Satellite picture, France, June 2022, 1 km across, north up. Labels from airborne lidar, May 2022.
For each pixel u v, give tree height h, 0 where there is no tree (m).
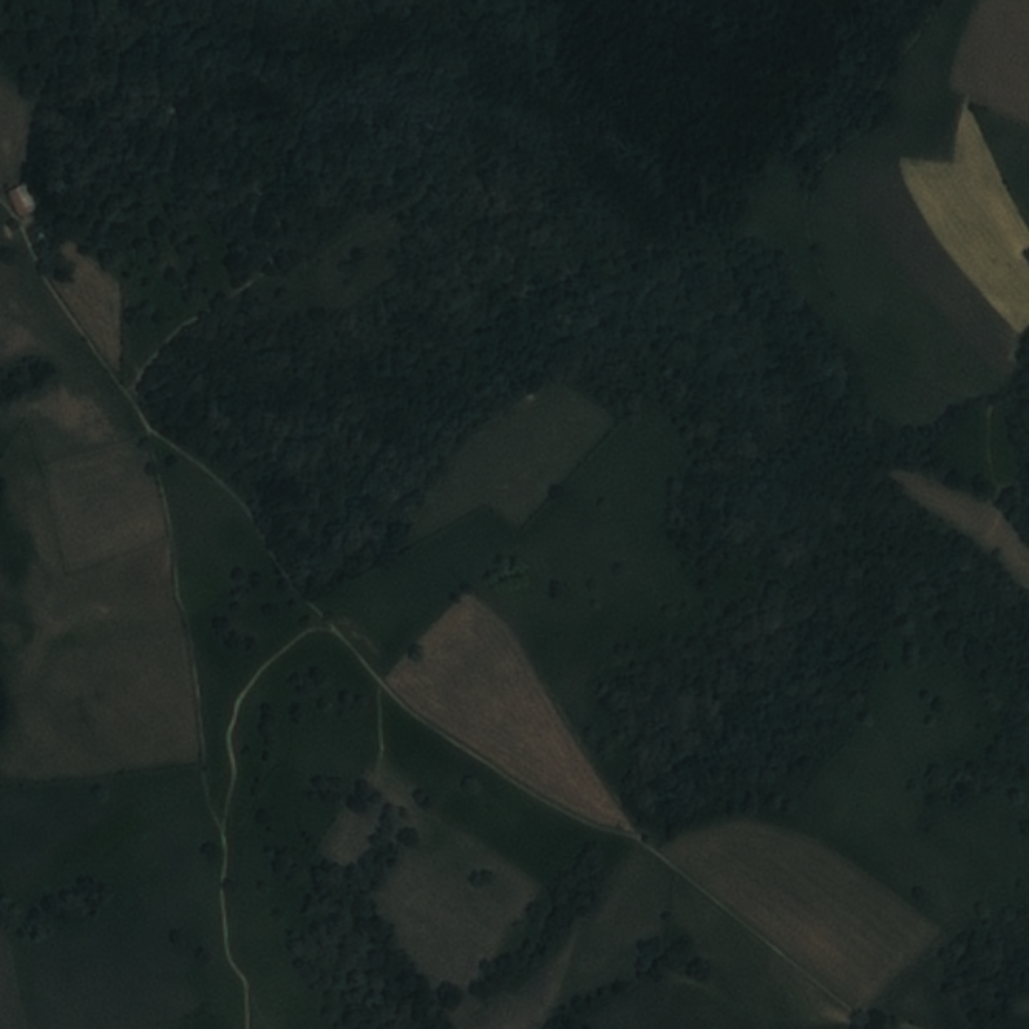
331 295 0
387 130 13
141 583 0
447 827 0
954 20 0
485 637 0
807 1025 0
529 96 24
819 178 8
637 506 0
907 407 0
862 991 0
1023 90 0
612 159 23
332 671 0
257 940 0
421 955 0
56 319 0
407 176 21
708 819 0
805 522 20
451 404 18
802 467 20
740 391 19
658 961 11
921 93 0
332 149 21
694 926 0
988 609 7
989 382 0
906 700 0
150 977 0
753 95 10
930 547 11
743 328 21
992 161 0
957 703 0
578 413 0
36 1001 0
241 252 14
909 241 0
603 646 0
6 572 0
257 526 10
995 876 0
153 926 0
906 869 0
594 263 23
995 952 18
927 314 0
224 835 0
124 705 0
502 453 0
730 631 12
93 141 17
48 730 0
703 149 13
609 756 9
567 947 0
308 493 14
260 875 0
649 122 8
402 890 0
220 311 18
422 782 0
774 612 19
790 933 0
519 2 9
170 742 0
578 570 0
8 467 0
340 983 13
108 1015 0
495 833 0
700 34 7
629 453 0
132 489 0
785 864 0
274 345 10
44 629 0
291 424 15
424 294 17
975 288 0
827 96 15
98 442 0
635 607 0
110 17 16
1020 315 0
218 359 18
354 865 10
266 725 13
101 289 0
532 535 0
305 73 25
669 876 0
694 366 6
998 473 0
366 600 0
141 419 0
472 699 0
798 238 0
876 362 0
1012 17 0
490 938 0
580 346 19
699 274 23
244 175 14
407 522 12
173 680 0
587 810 0
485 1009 0
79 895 14
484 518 0
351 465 13
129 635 0
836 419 24
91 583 0
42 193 20
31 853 0
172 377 13
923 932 0
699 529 6
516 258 18
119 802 0
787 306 16
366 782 11
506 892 0
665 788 22
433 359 21
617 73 9
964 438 0
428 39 20
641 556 0
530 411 0
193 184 13
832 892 0
